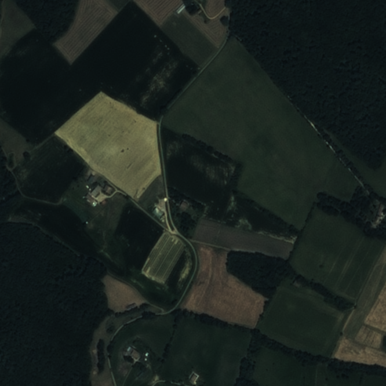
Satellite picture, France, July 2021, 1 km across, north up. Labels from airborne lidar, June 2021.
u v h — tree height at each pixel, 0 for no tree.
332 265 0
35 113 0
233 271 9
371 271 0
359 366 17
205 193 0
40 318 19
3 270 18
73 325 24
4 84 0
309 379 0
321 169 0
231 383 0
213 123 0
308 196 0
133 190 0
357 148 19
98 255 0
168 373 0
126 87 0
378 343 0
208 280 0
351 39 25
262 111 0
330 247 0
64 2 23
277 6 28
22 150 0
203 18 0
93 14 0
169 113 0
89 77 0
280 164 0
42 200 0
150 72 0
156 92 0
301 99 20
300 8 26
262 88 0
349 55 22
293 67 25
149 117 0
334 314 0
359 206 16
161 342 0
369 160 21
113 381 0
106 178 0
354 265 0
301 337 0
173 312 9
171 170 0
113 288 0
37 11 19
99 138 0
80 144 0
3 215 23
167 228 0
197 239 0
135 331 0
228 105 0
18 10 0
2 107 0
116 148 0
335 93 23
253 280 17
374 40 27
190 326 0
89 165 0
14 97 0
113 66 0
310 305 0
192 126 0
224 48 0
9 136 0
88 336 23
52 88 0
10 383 21
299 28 24
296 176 0
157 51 0
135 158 0
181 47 0
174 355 0
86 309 12
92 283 24
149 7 0
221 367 0
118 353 0
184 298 0
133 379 0
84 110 0
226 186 0
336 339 0
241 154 0
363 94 19
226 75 0
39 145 0
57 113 0
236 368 0
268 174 0
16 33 0
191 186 0
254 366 9
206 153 0
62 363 24
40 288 22
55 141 0
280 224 17
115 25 0
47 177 0
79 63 0
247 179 0
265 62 16
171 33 0
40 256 21
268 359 0
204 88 0
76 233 0
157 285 0
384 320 0
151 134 0
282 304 0
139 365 6
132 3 0
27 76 0
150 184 0
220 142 0
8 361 18
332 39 27
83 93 0
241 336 0
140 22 0
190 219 10
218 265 0
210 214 0
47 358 25
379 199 13
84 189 0
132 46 0
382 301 0
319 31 26
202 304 0
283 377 0
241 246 0
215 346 0
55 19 21
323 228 0
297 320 0
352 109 19
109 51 0
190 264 0
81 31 0
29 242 17
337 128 18
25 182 0
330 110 23
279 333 0
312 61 22
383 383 0
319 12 27
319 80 25
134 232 0
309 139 0
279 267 14
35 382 19
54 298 21
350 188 0
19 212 0
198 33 0
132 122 0
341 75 25
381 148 22
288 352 21
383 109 26
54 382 26
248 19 23
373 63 23
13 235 21
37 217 0
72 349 26
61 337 22
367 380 0
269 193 0
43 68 0
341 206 14
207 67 0
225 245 0
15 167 0
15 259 20
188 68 0
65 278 22
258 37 25
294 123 0
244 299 0
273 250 0
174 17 0
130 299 0
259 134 0
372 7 22
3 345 14
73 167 0
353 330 0
